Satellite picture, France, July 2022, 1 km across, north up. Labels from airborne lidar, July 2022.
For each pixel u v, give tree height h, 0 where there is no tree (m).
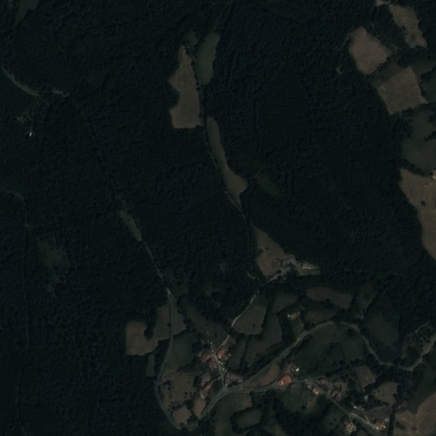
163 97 15
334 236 15
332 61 10
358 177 20
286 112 15
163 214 19
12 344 26
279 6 6
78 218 13
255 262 15
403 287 8
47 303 27
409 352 6
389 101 0
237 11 20
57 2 11
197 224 20
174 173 34
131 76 24
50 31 15
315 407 0
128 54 18
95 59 8
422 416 0
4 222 27
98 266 20
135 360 19
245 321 0
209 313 15
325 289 0
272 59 34
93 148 8
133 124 17
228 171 0
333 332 0
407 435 0
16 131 16
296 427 15
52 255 0
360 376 0
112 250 19
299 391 0
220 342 0
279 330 0
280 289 14
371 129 24
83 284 26
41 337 35
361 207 13
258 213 19
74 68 16
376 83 0
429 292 29
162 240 23
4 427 25
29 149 21
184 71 0
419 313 8
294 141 12
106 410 24
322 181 8
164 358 8
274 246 0
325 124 17
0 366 23
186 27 13
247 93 29
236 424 14
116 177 15
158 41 9
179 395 0
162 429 8
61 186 17
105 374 16
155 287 20
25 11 0
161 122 13
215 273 6
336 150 13
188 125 0
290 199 10
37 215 10
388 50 0
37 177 33
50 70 21
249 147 12
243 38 20
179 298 6
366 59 0
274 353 8
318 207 19
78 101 18
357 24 10
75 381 23
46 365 12
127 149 17
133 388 17
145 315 15
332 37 22
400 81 0
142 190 7
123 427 20
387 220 7
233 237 12
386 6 13
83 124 14
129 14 10
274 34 27
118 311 20
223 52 32
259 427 14
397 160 18
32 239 19
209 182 32
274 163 20
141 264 12
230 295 19
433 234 0
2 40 24
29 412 21
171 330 0
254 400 8
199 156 12
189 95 0
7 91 22
